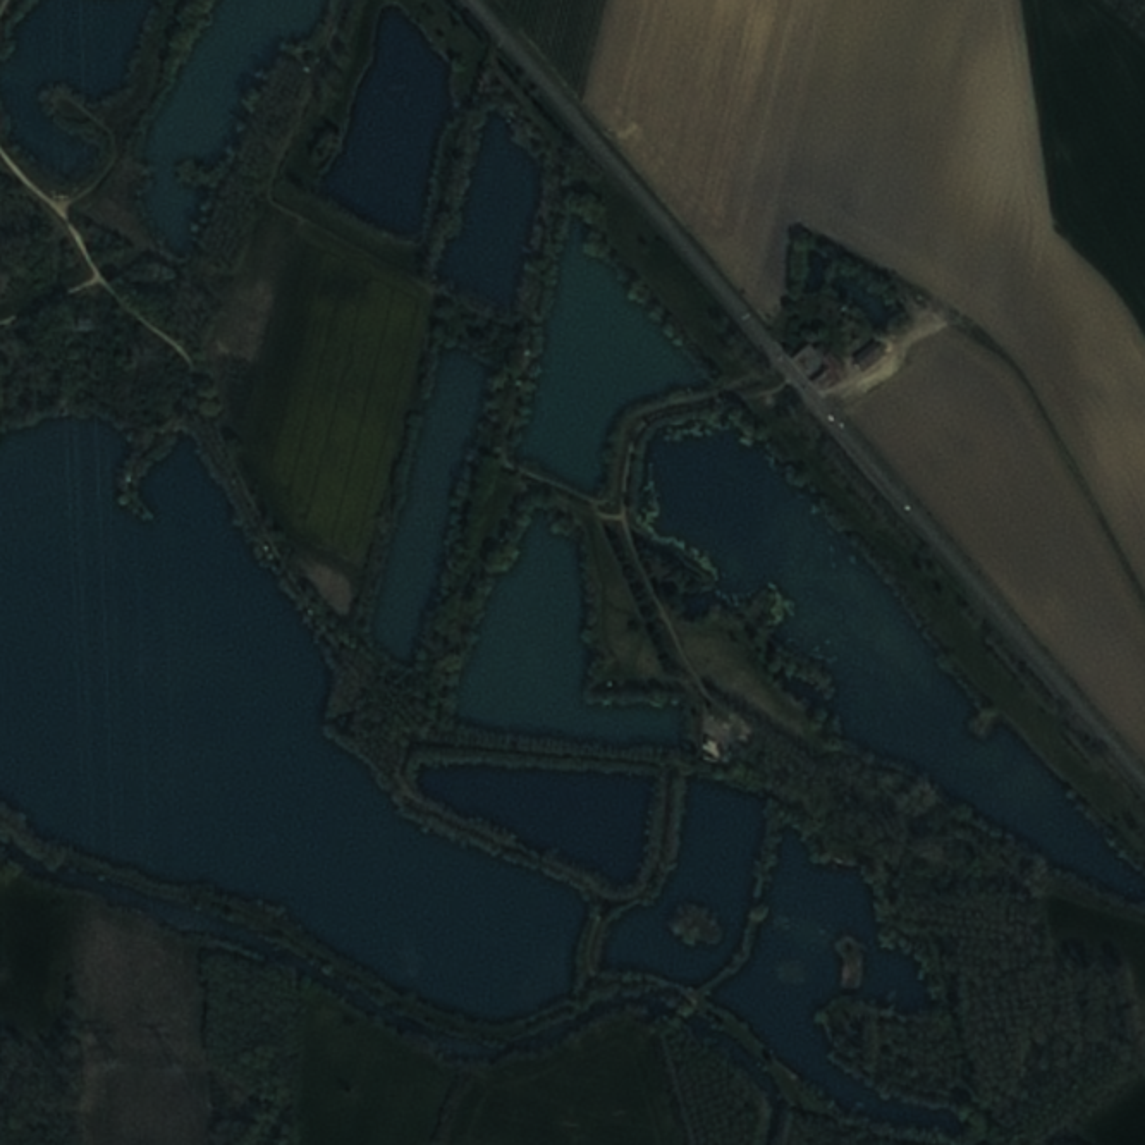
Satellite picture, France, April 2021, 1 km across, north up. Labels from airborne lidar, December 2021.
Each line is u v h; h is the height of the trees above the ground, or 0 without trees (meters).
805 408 26
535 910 0
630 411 7
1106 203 0
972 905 25
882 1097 9
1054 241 0
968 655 0
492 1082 0
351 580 0
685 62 0
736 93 0
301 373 0
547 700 0
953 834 22
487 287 0
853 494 25
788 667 14
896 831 33
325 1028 0
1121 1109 0
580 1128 0
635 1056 0
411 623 0
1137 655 0
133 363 14
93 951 0
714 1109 29
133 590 0
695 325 0
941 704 0
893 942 11
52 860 22
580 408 0
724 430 0
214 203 19
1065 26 0
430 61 0
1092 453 0
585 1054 0
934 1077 17
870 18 0
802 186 0
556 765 17
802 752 33
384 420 0
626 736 0
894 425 0
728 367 0
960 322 0
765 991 0
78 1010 11
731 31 0
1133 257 0
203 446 25
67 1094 32
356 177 0
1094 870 0
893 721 0
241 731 0
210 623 0
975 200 0
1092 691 0
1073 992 36
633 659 0
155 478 0
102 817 0
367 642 9
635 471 6
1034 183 0
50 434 0
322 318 0
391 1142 0
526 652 0
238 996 11
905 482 0
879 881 20
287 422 0
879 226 0
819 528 0
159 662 0
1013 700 0
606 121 0
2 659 0
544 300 11
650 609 6
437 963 0
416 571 0
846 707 0
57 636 0
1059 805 0
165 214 0
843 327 7
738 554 0
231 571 0
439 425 0
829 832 9
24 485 0
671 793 14
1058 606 0
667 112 0
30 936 0
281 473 0
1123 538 0
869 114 0
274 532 19
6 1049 32
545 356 0
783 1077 0
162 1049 0
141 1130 0
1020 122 0
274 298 0
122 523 0
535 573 0
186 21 17
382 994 10
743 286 0
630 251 0
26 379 9
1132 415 0
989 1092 38
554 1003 7
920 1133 22
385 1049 0
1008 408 0
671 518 0
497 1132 0
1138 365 0
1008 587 0
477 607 15
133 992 0
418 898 0
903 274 0
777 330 0
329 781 0
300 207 0
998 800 0
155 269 18
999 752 0
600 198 9
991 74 0
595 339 0
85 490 0
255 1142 27
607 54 0
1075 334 0
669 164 0
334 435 0
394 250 0
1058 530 0
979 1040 38
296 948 7
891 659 0
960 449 0
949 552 0
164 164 0
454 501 13
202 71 0
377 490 0
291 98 31
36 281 16
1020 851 15
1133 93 0
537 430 0
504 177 0
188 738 0
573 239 0
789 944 0
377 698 25
